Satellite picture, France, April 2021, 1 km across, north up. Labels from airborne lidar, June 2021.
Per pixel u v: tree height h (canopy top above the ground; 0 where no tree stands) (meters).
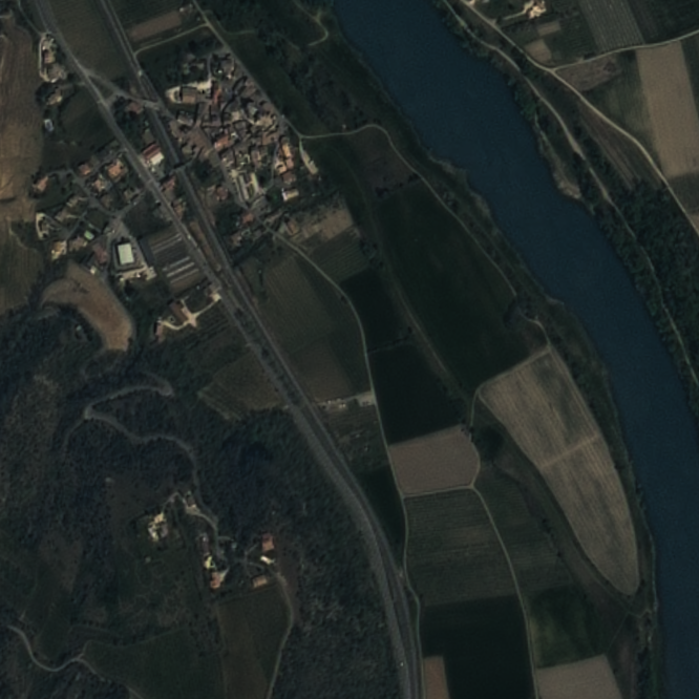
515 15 0
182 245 0
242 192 0
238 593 0
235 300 0
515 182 0
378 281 0
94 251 0
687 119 0
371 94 0
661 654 0
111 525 0
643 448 0
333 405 0
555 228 0
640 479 0
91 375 13
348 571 7
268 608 0
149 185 0
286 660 10
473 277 0
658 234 10
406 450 0
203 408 9
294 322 0
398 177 0
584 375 13
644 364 0
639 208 25
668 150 0
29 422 8
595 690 0
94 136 0
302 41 0
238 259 12
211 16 0
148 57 0
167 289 9
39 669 0
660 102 0
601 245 0
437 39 0
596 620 0
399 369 0
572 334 0
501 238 0
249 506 11
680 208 0
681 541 0
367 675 7
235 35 0
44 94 9
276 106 14
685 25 0
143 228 0
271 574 6
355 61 0
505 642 0
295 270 0
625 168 0
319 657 6
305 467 9
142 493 0
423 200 0
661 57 0
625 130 0
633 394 0
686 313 29
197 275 0
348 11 0
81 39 0
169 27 0
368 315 0
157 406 6
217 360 0
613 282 0
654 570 0
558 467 0
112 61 0
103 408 6
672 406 0
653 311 15
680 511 0
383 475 0
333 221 0
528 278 0
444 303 0
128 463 6
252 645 0
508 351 0
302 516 6
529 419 0
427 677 0
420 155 0
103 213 0
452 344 0
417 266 0
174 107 0
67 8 0
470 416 0
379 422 0
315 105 27
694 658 0
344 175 0
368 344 0
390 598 0
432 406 0
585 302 0
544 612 0
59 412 6
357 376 0
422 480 0
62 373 8
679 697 0
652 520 0
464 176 0
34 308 14
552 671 0
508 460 0
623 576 0
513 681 0
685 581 0
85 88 0
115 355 10
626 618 0
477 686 0
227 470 12
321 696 10
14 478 7
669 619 0
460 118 0
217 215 6
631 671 0
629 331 0
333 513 9
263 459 5
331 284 0
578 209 0
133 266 0
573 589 0
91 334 14
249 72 0
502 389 0
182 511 10
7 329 22
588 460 0
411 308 0
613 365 0
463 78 0
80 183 0
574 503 0
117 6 0
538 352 0
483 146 0
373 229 0
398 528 0
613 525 0
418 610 0
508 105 0
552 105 0
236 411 0
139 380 9
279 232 0
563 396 0
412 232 0
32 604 0
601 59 0
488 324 0
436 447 0
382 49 0
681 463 0
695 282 16
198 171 9
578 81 0
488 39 23
